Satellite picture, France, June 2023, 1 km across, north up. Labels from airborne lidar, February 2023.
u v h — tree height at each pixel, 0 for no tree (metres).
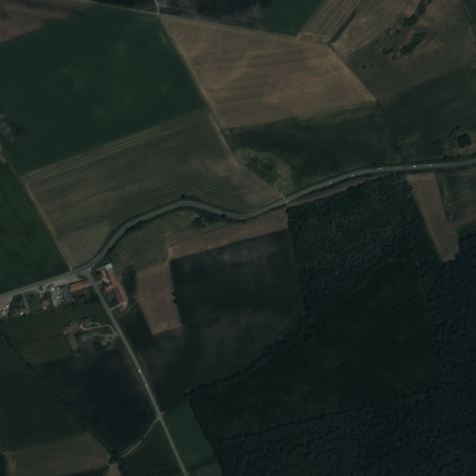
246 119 0
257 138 0
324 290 17
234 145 0
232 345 0
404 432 20
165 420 0
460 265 24
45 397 0
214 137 0
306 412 0
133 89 0
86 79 0
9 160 0
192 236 0
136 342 0
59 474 0
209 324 0
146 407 0
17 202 0
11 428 0
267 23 0
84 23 0
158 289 0
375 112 0
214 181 0
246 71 0
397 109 0
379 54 0
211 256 0
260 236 0
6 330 0
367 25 0
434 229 0
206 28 0
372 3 0
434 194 0
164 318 0
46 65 0
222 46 0
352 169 0
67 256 0
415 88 0
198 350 0
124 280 0
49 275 0
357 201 13
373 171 0
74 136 0
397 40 0
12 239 0
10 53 0
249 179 0
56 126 0
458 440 26
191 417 0
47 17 0
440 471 21
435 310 21
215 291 0
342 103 0
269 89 0
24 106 0
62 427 0
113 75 0
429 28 0
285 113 0
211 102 0
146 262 0
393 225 17
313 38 0
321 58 0
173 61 0
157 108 0
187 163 0
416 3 0
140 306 0
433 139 0
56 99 0
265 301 0
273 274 0
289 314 0
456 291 20
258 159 0
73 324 0
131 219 0
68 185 0
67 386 0
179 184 0
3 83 0
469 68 0
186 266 0
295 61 0
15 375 0
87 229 0
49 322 0
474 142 0
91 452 0
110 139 0
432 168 0
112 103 0
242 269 0
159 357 0
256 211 0
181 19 0
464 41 0
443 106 0
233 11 0
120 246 0
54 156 0
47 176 0
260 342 0
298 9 0
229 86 0
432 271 23
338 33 0
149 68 0
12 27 0
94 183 0
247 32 0
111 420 0
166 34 0
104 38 0
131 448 0
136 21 0
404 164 0
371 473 22
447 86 0
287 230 0
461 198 0
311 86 0
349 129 0
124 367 0
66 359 0
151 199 0
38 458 0
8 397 0
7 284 0
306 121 0
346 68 0
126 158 0
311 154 0
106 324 0
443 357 23
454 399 20
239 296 0
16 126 0
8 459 0
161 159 0
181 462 0
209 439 9
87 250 0
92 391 0
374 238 20
